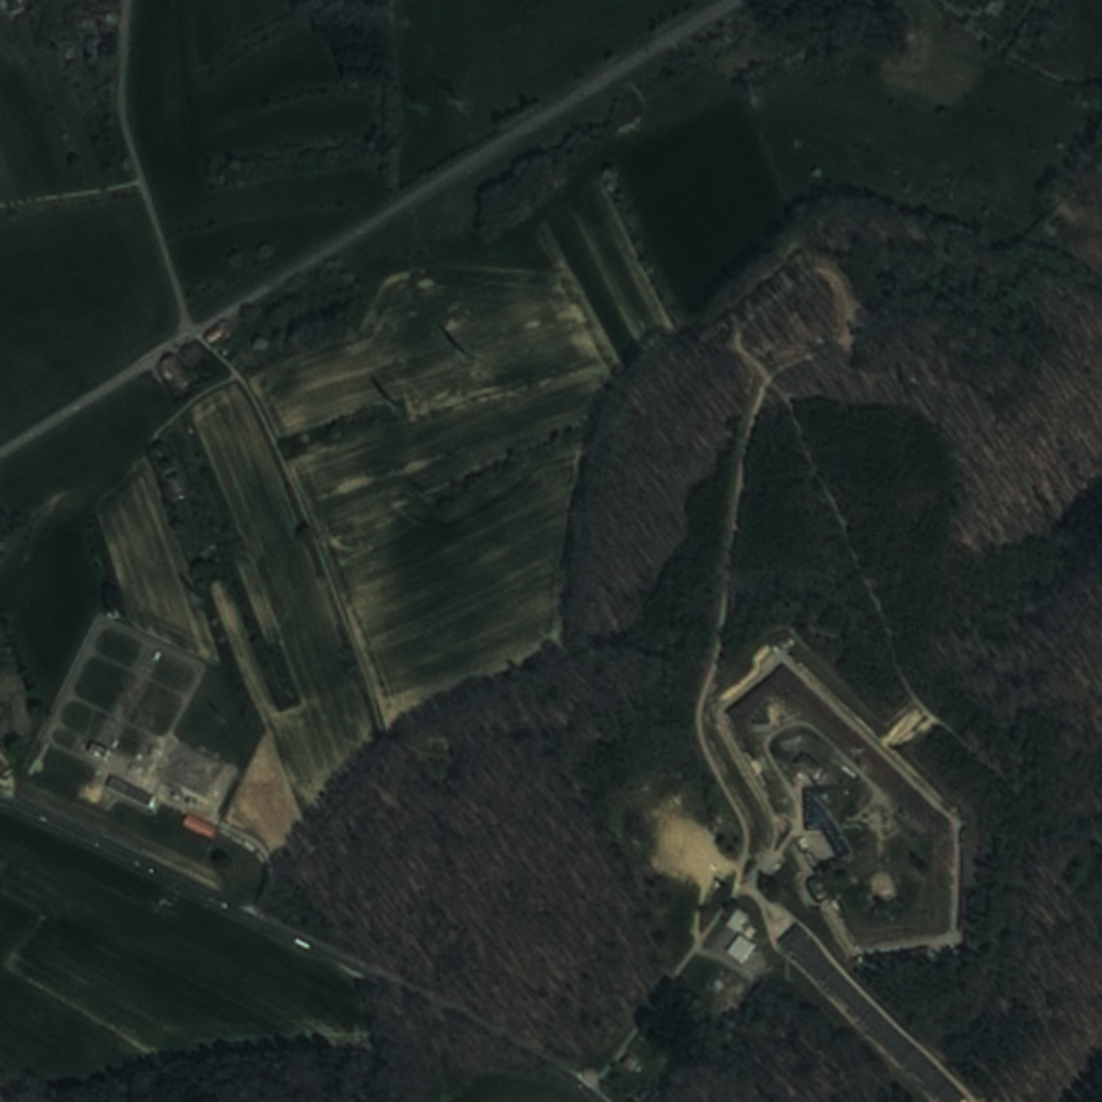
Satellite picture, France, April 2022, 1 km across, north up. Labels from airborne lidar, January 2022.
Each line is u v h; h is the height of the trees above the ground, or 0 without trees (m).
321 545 0
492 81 0
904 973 21
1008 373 27
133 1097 16
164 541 0
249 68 0
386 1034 25
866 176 0
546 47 0
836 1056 27
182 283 0
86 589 0
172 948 0
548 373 0
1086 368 31
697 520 13
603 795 10
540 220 0
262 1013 0
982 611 7
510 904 26
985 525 29
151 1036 0
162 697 0
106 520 0
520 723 28
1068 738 28
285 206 0
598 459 26
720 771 0
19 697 0
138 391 0
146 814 0
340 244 0
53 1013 0
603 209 0
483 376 0
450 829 26
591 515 25
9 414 0
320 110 0
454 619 0
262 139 0
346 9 19
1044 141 0
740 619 16
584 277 0
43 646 0
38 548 0
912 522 11
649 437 28
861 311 0
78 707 0
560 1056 26
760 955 0
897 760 0
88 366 0
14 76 0
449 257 0
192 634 0
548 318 0
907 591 15
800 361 0
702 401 29
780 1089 33
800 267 0
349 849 27
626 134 0
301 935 22
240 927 0
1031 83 0
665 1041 21
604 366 0
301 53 0
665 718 6
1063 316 30
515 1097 0
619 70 0
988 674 29
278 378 0
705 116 0
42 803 0
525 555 0
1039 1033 25
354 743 0
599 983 29
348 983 0
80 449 0
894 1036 0
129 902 0
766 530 17
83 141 0
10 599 0
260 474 0
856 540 14
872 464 12
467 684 0
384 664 0
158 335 0
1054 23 21
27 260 0
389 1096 28
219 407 0
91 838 0
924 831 0
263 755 0
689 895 0
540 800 28
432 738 24
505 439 0
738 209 0
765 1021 25
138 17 0
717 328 0
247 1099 28
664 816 0
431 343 0
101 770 0
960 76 0
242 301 0
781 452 12
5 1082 8
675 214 0
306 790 0
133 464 0
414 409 0
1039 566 17
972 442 29
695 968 0
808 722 0
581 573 25
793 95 0
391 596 0
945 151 0
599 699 30
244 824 0
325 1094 23
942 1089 0
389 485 0
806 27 22
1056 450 32
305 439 0
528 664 0
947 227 17
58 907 0
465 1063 30
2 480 0
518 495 0
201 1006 0
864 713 0
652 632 14
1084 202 30
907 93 0
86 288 0
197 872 0
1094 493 22
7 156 0
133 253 0
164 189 0
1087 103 9
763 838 0
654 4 0
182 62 0
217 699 0
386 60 19
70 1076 0
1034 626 26
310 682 0
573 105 0
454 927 27
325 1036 0
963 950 0
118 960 0
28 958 0
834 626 18
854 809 0
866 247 25
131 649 0
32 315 0
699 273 0
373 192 0
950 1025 12
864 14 27
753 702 0
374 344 0
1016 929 22
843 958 0
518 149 0
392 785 27
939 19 0
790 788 0
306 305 17
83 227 0
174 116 0
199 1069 19
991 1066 18
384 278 0
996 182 12
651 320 0
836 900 0
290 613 0
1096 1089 29
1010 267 26
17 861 0
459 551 0
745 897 0
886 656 12
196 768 0
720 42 8
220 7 0
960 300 26
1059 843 27
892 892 0
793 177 0
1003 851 18
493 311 0
